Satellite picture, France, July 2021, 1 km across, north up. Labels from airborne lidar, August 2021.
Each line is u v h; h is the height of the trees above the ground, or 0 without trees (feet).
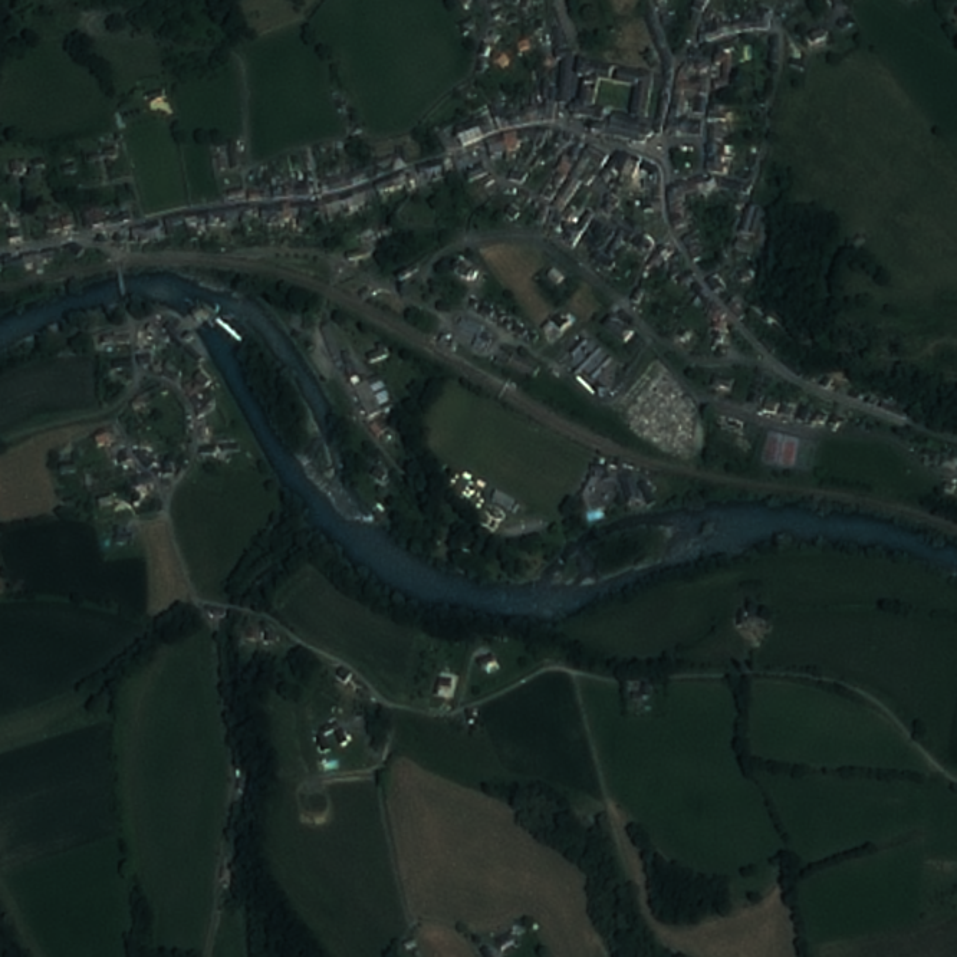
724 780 0
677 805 0
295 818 0
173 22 28
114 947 0
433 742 0
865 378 22
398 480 23
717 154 0
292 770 0
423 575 0
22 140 36
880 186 0
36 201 44
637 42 0
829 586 0
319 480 0
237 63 0
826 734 0
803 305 44
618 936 18
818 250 47
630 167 0
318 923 0
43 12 59
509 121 0
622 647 0
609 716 0
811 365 40
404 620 56
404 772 0
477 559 69
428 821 0
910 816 0
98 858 0
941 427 83
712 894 60
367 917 0
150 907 76
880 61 0
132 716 0
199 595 0
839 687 39
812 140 0
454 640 52
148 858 0
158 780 0
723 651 0
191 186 0
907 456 0
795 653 0
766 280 29
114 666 33
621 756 0
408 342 0
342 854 0
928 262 0
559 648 47
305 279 0
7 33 71
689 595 0
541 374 0
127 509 0
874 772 45
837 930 0
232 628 38
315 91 0
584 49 32
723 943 0
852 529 0
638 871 0
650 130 0
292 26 0
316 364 0
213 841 0
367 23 0
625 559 29
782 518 0
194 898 0
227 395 0
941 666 0
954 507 59
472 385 42
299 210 0
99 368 23
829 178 0
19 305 42
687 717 0
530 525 0
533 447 0
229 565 0
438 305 29
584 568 0
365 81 0
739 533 0
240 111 0
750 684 44
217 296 0
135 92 36
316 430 0
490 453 0
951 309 0
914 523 21
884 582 0
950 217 0
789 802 0
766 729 0
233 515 0
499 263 0
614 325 0
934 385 92
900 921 0
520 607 0
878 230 0
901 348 46
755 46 27
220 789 0
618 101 0
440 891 0
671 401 0
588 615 33
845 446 0
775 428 0
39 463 0
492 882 0
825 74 0
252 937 23
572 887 0
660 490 0
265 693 55
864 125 0
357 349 0
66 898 0
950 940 0
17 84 0
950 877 0
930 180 0
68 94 0
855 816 0
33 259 0
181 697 0
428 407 39
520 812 43
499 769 0
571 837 77
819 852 0
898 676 0
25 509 0
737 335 24
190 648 0
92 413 0
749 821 0
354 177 0
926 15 0
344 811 0
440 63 0
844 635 0
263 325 0
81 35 34
